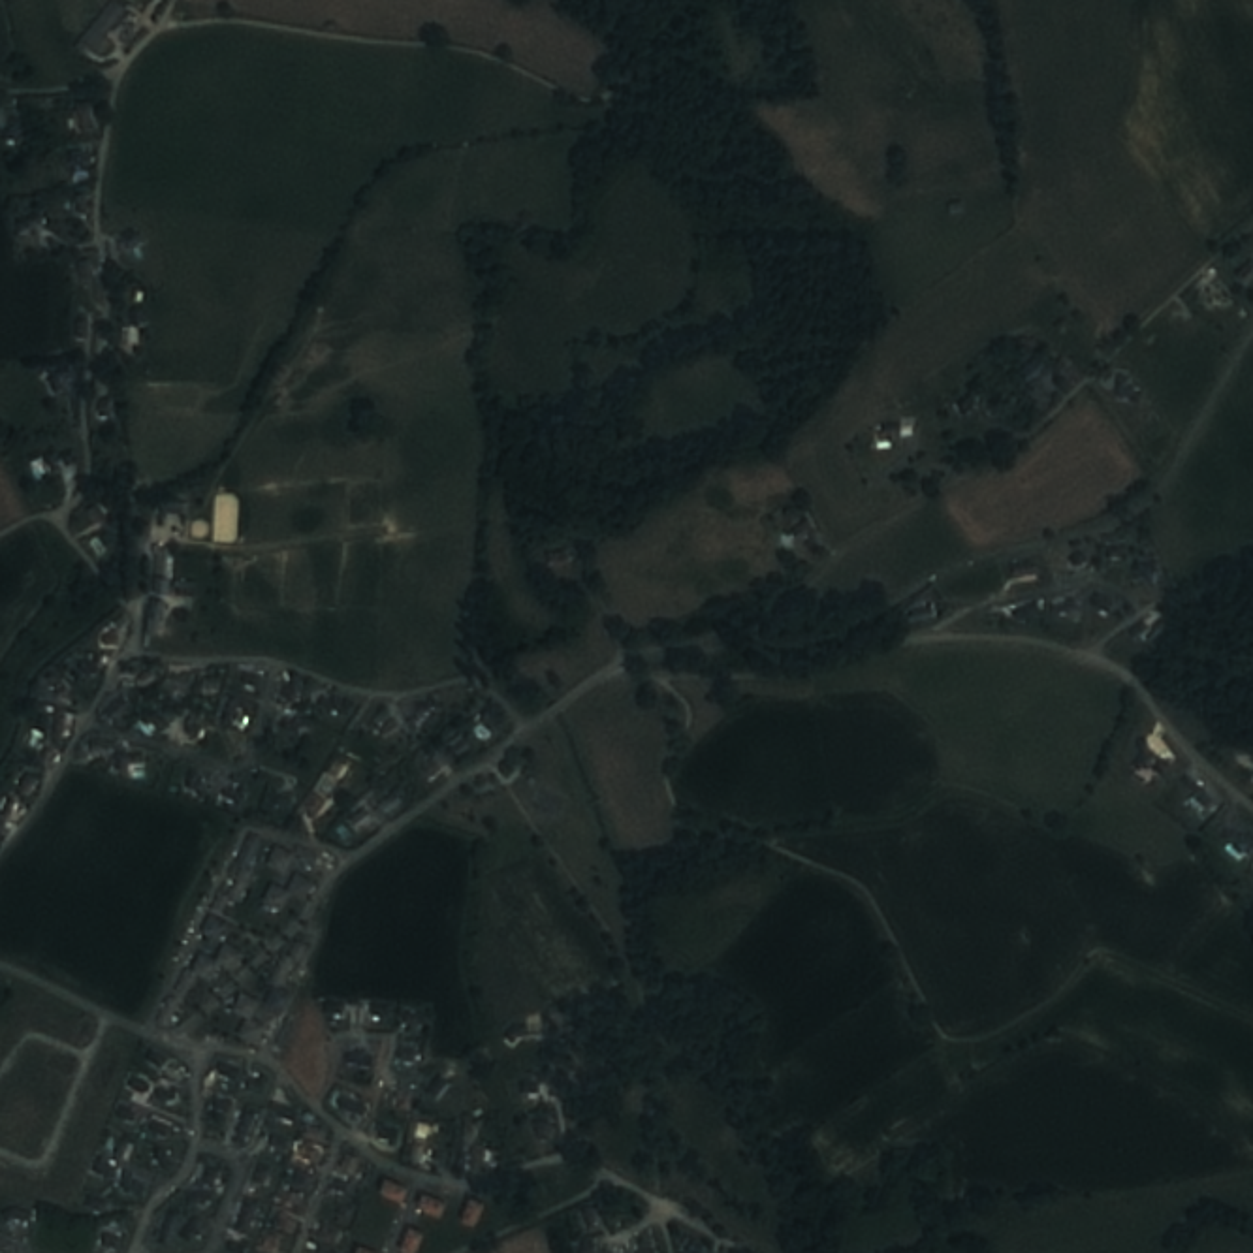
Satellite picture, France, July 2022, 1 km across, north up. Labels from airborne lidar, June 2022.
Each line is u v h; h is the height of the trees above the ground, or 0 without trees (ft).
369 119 0
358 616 0
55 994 0
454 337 0
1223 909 0
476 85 0
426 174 0
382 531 0
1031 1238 0
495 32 0
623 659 0
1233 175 0
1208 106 0
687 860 75
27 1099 0
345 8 0
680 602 0
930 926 0
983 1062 0
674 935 0
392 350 0
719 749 0
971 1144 0
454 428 0
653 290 0
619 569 0
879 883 0
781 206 80
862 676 0
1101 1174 0
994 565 0
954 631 0
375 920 0
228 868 0
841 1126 0
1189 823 0
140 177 0
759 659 74
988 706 0
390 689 0
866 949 0
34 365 23
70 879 0
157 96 0
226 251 0
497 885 0
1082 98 0
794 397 49
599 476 79
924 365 0
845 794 0
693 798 0
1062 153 0
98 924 0
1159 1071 0
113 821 0
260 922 0
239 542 0
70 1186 0
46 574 0
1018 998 0
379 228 0
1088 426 0
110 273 49
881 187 0
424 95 0
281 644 0
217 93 0
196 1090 0
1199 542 0
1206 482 0
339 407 0
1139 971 0
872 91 0
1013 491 0
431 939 0
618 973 45
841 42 0
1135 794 0
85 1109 0
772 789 0
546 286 0
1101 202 0
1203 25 0
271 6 0
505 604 0
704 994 78
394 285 0
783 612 80
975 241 0
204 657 0
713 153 86
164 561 0
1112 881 0
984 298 0
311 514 0
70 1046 0
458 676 0
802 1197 83
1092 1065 0
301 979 0
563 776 0
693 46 39
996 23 27
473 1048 31
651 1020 66
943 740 0
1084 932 0
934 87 0
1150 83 0
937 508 0
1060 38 0
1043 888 0
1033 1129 0
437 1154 19
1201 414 0
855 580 0
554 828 0
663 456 86
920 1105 0
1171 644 50
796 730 0
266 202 0
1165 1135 0
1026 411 21
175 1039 0
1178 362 0
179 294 0
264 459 0
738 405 0
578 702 0
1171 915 0
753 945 0
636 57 80
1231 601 90
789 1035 0
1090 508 0
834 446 0
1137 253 0
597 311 0
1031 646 0
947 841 0
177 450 0
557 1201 0
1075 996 0
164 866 0
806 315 84
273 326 0
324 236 0
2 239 0
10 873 0
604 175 39
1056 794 0
